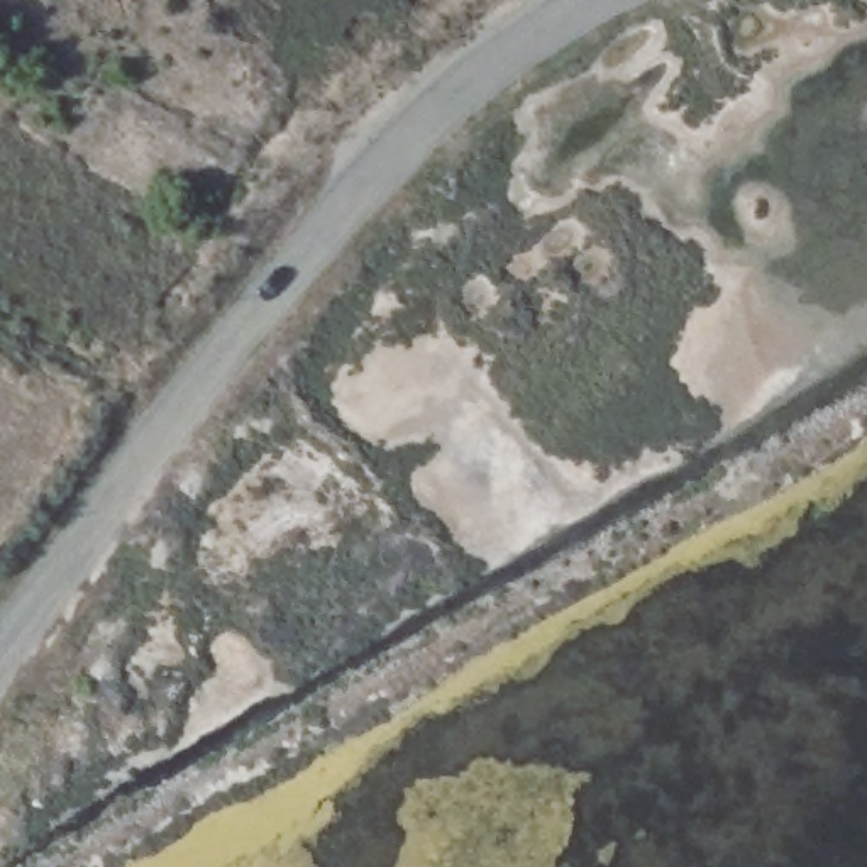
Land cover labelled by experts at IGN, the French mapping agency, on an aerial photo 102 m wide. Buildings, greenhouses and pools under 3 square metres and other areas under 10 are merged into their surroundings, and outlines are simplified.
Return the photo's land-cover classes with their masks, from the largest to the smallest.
<instances>
[{"label":"brushwood","instance_id":"1","mask_svg":"<svg viewBox=\"0 0 867 867\"><path fill-rule=\"evenodd\" d=\"M227 7L237 14V24L227 34L247 44H264L271 51V61H278L284 71V95L268 108L281 129L298 112L301 81H325L332 75L329 47H345L356 37L362 10L379 14V27L389 34L396 20L420 10V0H230ZM772 3L782 10H813L830 3L837 10L853 14V20L867 17V0H647L633 10L610 17L593 34L538 61L518 88H501L464 125L471 146L461 152L457 163V196L444 203L447 224L420 227L406 240L396 237L393 254L373 251L359 264L356 281L345 284L342 295H335L329 308L315 318L308 332V349L291 359L295 389L305 400L308 413L332 437L342 440V450L362 457L379 474L383 498L393 505V522L386 528H379V511L342 518L335 528L339 545L312 549L305 552L301 566H284L271 552L251 559L247 572H237L230 583L217 586L207 583L196 559H183L176 549L169 552L166 542L152 549V555L139 545H119L108 559L105 576L98 583H81V603L64 637L51 650H41L30 664H24L10 694L0 701V867H27V860L41 853L30 843L34 833L75 820L95 799V789L108 779V772L122 765L119 755L105 752L88 759L81 752L71 759L54 745L58 718L71 711L75 694H88L91 677V664L85 660V640L105 620H125V633L115 640L112 674L115 691L122 698V711L139 718V735L129 738L135 752L163 748L179 738L190 718L193 694L217 671L213 640L220 633L244 637L261 657L271 660L274 677L291 688L301 677H315L325 667H332L335 654H352L376 637L393 633L427 606H437L447 596H454L457 579L450 562L467 552L454 538L450 525L434 508L420 505V498L413 494V471L437 457V440L383 447L366 440L339 417L332 403V383L339 376V366L345 362L352 329L362 322L369 308L376 315H389L400 345H413V339L420 335L450 332L461 345H478L491 352V383L508 400L525 434L555 457L593 464L596 481H606L616 467L637 461L643 450L674 447L694 437L708 440L721 423V410L704 396H694L671 362L677 352V339L688 325V315L718 298V284L704 271V251L694 240H681L671 230H664L654 217L643 213L640 196L623 186L583 190L572 200L576 220H583L586 230L596 234L603 247H610L613 261L623 271V288L613 298L596 295L583 281L572 257L552 261L549 268L555 271V281L569 291L566 301L555 308H542V298L525 284V278L511 274L515 254L535 247L559 220L552 213H522L508 200L511 163L522 149L515 115L528 95L555 85L559 78L589 68L596 61L627 27L647 24L660 20L667 30L671 54L681 58V75L664 102V112H681L688 125H701L704 119H711L725 98L745 95L752 75L762 64H769L776 51H759L745 58L735 51L742 14L762 7ZM478 274L498 284V305L484 318H478L474 305L464 298V284ZM406 528L430 532L440 542V555H430L423 545L393 549V535ZM156 623L176 627L183 660L159 664L156 671H149L139 667L132 657L149 640V627ZM139 193L91 173L88 159L81 152H71L68 142L34 146L20 132V119L14 108L0 115V359L20 376L51 362L61 373L81 379L91 393V410L81 413L88 434L81 454L75 461H61V467L44 481L27 522L14 532L7 545H0V579H20L44 555L54 532H61L81 511L85 491L102 474L105 461L119 450L129 420L139 410L152 406L156 393L176 376L190 349L240 298V288L247 284L254 264L264 254L257 244H244L237 264L213 274L210 288L193 298L190 315H173L169 295L173 288L190 281L196 257L176 254L173 247L149 237L146 220L135 213ZM159 339L169 342V352L159 356L142 379H132L125 386L105 379L122 352L152 349Z\"/></svg>","mask_w":867,"mask_h":867},{"label":"herbaceous vegetation","instance_id":"2","mask_svg":"<svg viewBox=\"0 0 867 867\"><path fill-rule=\"evenodd\" d=\"M230 0H0V44L17 58L34 47L44 68V88H24L14 78H0V115L14 108L20 119V132L34 146L68 142L71 152H81L88 159L91 173L139 193L149 190L152 173L163 166L220 169L244 186V196L230 203V213L237 217L234 230L203 240L196 257L190 281L173 288L169 295L173 315H190L193 298L210 288L213 274L237 264L244 244H257L264 254L281 240L291 217H308L318 190L325 186L335 146L369 112V105L379 102L386 91L400 88L410 71H420L434 54L471 41L474 24H481L484 14L501 0H420V10L396 20L389 34L379 27V14L362 10L356 37L345 47H329L332 75L325 81H301L298 112L281 129L268 108L284 95V71L278 61H271V51L264 44H247L227 34L237 24V14L227 7ZM789 30L786 20L762 17V7L742 14L735 51L745 58L759 51H776V41ZM647 44V24L627 27L596 61L623 64L633 51ZM664 68L654 64L630 81H596L589 68L559 78L555 85L562 95L549 108L559 139L569 132L572 122L613 105L623 115V122H616L589 149L599 156V163L589 169V176L620 173L630 163H640L647 132L654 129L643 119V98L660 81ZM471 146L464 125L454 129L430 152V159L400 186V193H393L349 237V244L322 268V274L301 295L298 308L274 332L261 335L251 345V369L230 389L227 400L213 403L210 417L193 430L190 447L169 457L156 498L146 505L135 525H122L119 545H139L152 555V549L166 542L169 552L176 549L183 559H196L203 532L217 525L210 505L234 488V481L247 467L257 464L261 454L281 457L295 440L315 447L332 461L329 478L315 491V501L335 528L342 518L379 511V528H386L393 522V505L383 498L379 474L362 457L342 450V440L332 437L308 413L305 400L295 389L291 359L308 349V332L315 318L329 308L335 295H342L345 284L356 281L359 264L373 251L393 254L396 237L406 240L420 227L447 224L444 203L457 196V163L461 152ZM572 163L555 159L552 152L535 173L532 190L555 196L566 186ZM525 284L542 298V308H555L566 301L569 291L555 281V271L549 268L525 278ZM376 345H400L389 315H376L369 308L362 322L352 329L345 362L362 366ZM169 352V342L159 339L152 349L122 352L105 379L125 386L132 379H142L159 356ZM91 410V393L81 379L61 373L51 362L20 376L0 359V545H7L14 532L27 522L44 481L61 467V461H75L81 454L88 434L81 413ZM867 430V420H853L850 427L833 423L823 437H803L792 427L789 434L769 437L759 450L728 461L725 478H718L711 488L681 501L674 494H664L657 505L606 525L593 542H583L579 549L562 552L542 569L525 572L522 579L508 583L505 593L478 596L450 623H430L427 630L389 647L379 660L349 671L339 684L318 688L305 701L278 711L271 721L247 728L230 742V748H224L217 765H190L179 776L163 779L159 786L125 796L122 803L105 809L85 837H64L51 843V853H41L27 860V867H125L183 840L200 820L227 806L257 799L268 789L295 779L345 738H356L389 721V711L410 694L434 691L450 674L464 671L467 660L484 657L505 640L522 637L542 620L555 616L559 610L579 603L583 596L606 589L610 583H620L633 569L650 566L654 559L667 555L681 538L698 535L704 525L748 511L752 505L779 494L786 478H809L816 467L840 461L843 454L857 450L853 437ZM735 434L721 423L708 440L694 437L674 447L681 461H688L691 454H708ZM271 552L284 566H301L305 552L312 549L308 528H291L271 542ZM393 549L423 545L430 555H440V542L430 532L406 528L393 535ZM637 599L633 593H623L620 599L603 603L593 623H620ZM139 735V718L122 711V698L115 691L112 674L91 677L88 694H75L71 711L58 718L54 745L71 759L81 752L88 759L105 752L119 755L122 765L108 772V779L95 789V799L108 796L119 782L132 779L135 769L173 759L190 745L179 738L163 748L135 752L129 738Z\"/></svg>","mask_w":867,"mask_h":867},{"label":"water","instance_id":"3","mask_svg":"<svg viewBox=\"0 0 867 867\"><path fill-rule=\"evenodd\" d=\"M748 183L776 186L789 200L796 247L782 257H772L765 274L796 284L803 305H823L837 315L867 301V41L840 47L826 68L792 85L789 112L765 132V146L759 156H748L735 166H715L704 173L708 227L728 247H742L745 240V227L735 213L738 190ZM616 122H623V115L613 105L572 122L569 132L559 139L552 152L555 159L572 163L579 152L589 149ZM867 386V349L837 373L816 379L813 386L779 396L735 434L708 454H691L688 461H681V467L623 491L589 518L549 532L538 545H532L528 552L515 555L498 569L467 552L450 562L457 579L454 596H447L437 606H427L393 633L376 637L352 654H335L332 667H325L315 677H301L291 688L288 694H274L251 704L244 715L190 745L173 759L135 769L132 779L119 782L108 796L95 799L75 820L34 833L30 843L41 853H51V843L64 837H85L105 809L122 803L125 796L159 786L163 779L179 776L190 765H217L224 748H230V742L247 728L271 721L278 711L305 701L318 688L339 684L349 671L379 660L389 647L427 630L430 623H450L478 596L505 593L508 583L522 579L525 572L542 569L562 552L579 549L583 542H593L606 525L657 505L664 494H674L681 501L711 488L718 478H725L728 461L759 450L769 437L789 434L792 427L813 417L816 410L833 406L843 396ZM478 759H498L511 765H555L589 776L576 789L572 833L566 850L555 857V867H867V478H860L833 511H823L816 501H809L803 508L796 535L762 552L755 566H742L732 559L708 562L667 576L637 599L620 623H593L576 637H566L549 654L538 674L505 677L494 691L478 688L467 698H461L450 711L423 715L420 721H413L396 745L379 752L349 786L335 792L332 823H325L315 837L301 840V847L312 857V867H396L406 840L400 826V806L406 799V789L417 779L457 776Z\"/></svg>","mask_w":867,"mask_h":867},{"label":"pervious surface","instance_id":"4","mask_svg":"<svg viewBox=\"0 0 867 867\"><path fill-rule=\"evenodd\" d=\"M762 17L786 20L789 30L776 41V51L769 64H762L752 75L745 95L725 98L711 119H704L701 125H688L681 112H664V102L681 75V58L671 54L667 30L660 20L647 24V44L633 51L623 64L596 61L589 68L596 81H630L654 64L664 68L660 81L643 98V119L654 129L647 132L640 163H630L620 173L589 176V169L599 163V156L589 149L579 152L572 163L566 186L555 196L532 190L535 173L552 152L559 139L549 108L562 95L555 85L528 95L515 115L522 149L511 163L508 200L522 213H552L559 220L535 247L515 254L511 274L525 278L549 268L552 261L572 257L583 281L596 295L613 298L623 288V271L613 261L610 247H603L596 234L586 230L583 220H576L572 200L583 190L623 186L640 196L643 213L654 217L664 230H671L681 240H694L704 251V271L718 284V298L688 315V325L677 339V352L671 362L694 396H704L721 410V423L735 434L779 396L813 386L816 379L837 373L867 349V301L837 315L823 305H803L796 284L765 274L772 257H782L796 247L789 200L776 186L748 183L738 190L735 213L745 227V240L742 247H728L708 227L704 173L715 166H735L748 156H759L765 146V132L789 112L792 85L826 68L840 47L867 41V17L853 20V14L837 10L830 3L813 10H782L772 3L762 7ZM464 298L474 305L478 318H484L498 305V284L478 274L464 284ZM491 352L478 345H461L450 332L420 335L413 339V345H376L362 366L345 362L339 366V376L332 383V403L339 417L366 440L383 447L437 440V457L413 471V494L420 498V505L434 508L450 525L454 538L467 552L498 569L515 555L528 552L532 545H538L549 532L589 518L623 491L681 467V461L674 447L643 450L637 461L616 467L606 481H596L593 464L555 457L525 434L508 400L491 383ZM853 420H867V386L843 396L833 406L816 410L813 417L792 427L803 437H823L833 423L850 427ZM857 450L843 454L840 461L816 467L809 478H786L779 494L752 505L748 511L704 525L698 535L681 538L667 555L654 559L650 566L633 569L620 583H610L606 589L583 596L579 603L559 610L555 616L542 620L522 637L505 640L484 657L467 660L464 671L450 674L434 691L410 694L389 711V721L356 738H345L295 779L268 789L257 799L227 806L200 820L183 840L125 867H312V857L301 847V840L315 837L325 823H332L335 792L349 786L379 752L396 745L413 721H420L423 715L450 711L461 698H467L478 688L494 691L505 677L538 674L549 654L566 637H576L593 623L603 603L620 599L623 593H633L637 599L667 576L708 562L732 559L742 566H755L762 552L796 535L803 508L809 501H816L823 511H833L860 478H867V430L853 437ZM332 461L315 447L295 440L281 457L261 454L257 464L247 467L234 481V488L210 505L217 525L203 532L196 559L207 583L217 586L230 583L237 572H247L251 559L271 552V542L291 528H308L312 549L339 545L335 528L315 501V491L329 478ZM125 633V620H105L85 640V660L91 664V677L112 674L115 640ZM139 667L149 671H156L159 664L183 660L176 627L156 623L149 627V640L132 657ZM217 671L193 694L190 718L179 738L190 745L244 715L251 704L274 694H288L291 688L274 677L271 660L261 657L244 637L220 633L213 640ZM589 776L555 765H511L498 759H478L457 776L417 779L406 789V799L400 806V826L406 840L396 867H555V857L566 850L572 833L576 789Z\"/></svg>","mask_w":867,"mask_h":867},{"label":"impervious surface","instance_id":"5","mask_svg":"<svg viewBox=\"0 0 867 867\"><path fill-rule=\"evenodd\" d=\"M647 0H501L484 14L481 24H474L471 41L434 54L420 71H410L400 88L386 91L379 102L369 105V112L335 146L325 186L318 190L308 217H291L281 240L264 254L254 264L247 284L240 288V298L190 349L176 376L156 393L152 406L139 410L129 420L119 450L105 461L102 474L85 491L81 511L61 532H54L44 555L20 579H0V701L10 694L24 664H30L41 650H51L64 637L81 603V583H98L105 576L108 559L119 545L122 525H135L146 505L156 498L169 457L190 447L193 430L210 417L213 403L227 400L230 389L251 369V345L261 335L274 332L298 308L301 295L322 274V268L349 244V237L393 193H400V186L430 159V152L454 129L464 125L501 88H518L538 61L593 34L610 17L633 10Z\"/></svg>","mask_w":867,"mask_h":867},{"label":"deciduous trees","instance_id":"6","mask_svg":"<svg viewBox=\"0 0 867 867\"><path fill-rule=\"evenodd\" d=\"M0 78H14L24 88H44V68L34 47L17 58L0 44ZM244 196V186L220 169L163 166L152 173L149 190L139 193L135 213L146 220L149 237L173 247L176 254L196 257L203 240L234 230L237 217L230 213V203Z\"/></svg>","mask_w":867,"mask_h":867}]
</instances>
